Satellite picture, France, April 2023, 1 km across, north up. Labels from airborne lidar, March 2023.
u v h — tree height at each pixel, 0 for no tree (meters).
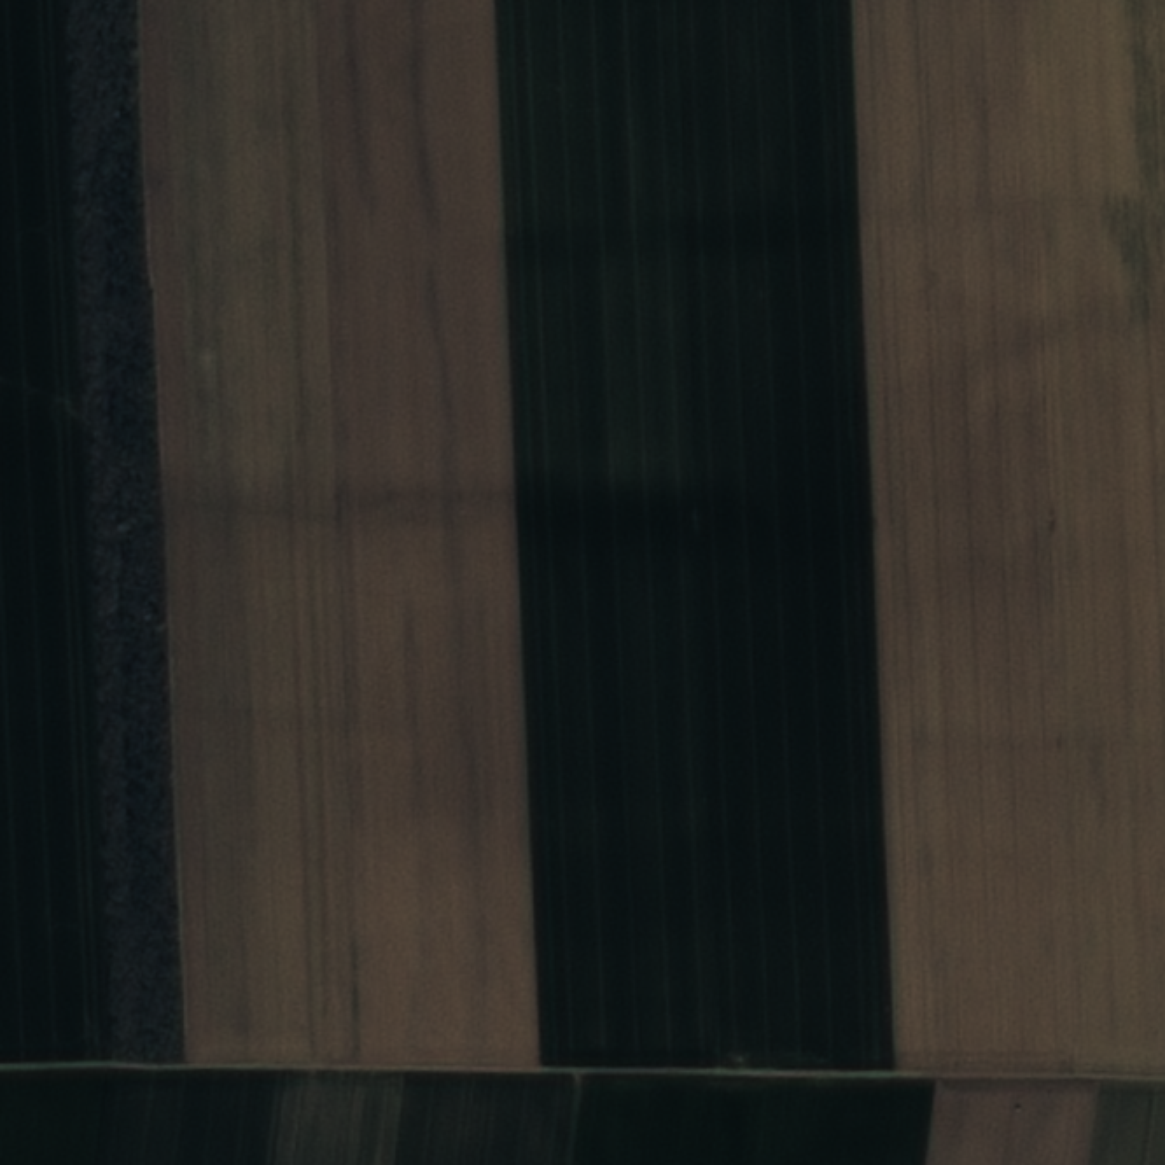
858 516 0
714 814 0
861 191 0
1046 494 0
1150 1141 0
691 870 0
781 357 0
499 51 0
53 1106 0
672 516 0
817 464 0
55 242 0
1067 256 0
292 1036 0
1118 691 0
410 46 0
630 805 0
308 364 0
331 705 0
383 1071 0
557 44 0
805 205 0
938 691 0
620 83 0
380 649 0
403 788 0
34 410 0
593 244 0
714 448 0
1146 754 0
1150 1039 0
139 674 12
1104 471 0
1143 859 0
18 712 0
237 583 0
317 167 0
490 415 0
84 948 0
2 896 0
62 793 0
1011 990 0
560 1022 0
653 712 0
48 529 0
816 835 0
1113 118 0
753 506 0
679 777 0
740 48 0
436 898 0
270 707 0
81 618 0
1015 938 0
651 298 0
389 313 0
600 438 0
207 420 0
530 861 0
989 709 0
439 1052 0
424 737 0
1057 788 0
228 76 0
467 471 0
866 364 0
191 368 0
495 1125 0
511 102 0
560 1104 0
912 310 0
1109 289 0
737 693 0
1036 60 0
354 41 0
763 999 0
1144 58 0
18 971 0
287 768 0
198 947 0
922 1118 0
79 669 0
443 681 0
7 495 0
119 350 10
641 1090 0
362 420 0
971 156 0
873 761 0
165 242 0
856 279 0
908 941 0
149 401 12
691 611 0
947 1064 0
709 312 0
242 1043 0
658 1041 0
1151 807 0
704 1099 0
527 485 0
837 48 0
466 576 0
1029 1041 0
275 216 0
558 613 0
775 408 0
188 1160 0
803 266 0
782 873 0
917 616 0
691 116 0
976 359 0
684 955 0
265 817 0
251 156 0
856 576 0
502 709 0
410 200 0
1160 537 0
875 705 0
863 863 0
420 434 0
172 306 0
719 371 0
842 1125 0
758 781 0
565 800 0
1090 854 0
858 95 0
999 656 0
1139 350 0
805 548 0
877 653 0
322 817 0
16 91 0
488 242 0
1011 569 0
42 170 0
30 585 0
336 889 0
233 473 0
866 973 0
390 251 0
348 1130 0
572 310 0
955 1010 0
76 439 0
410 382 0
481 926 0
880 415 0
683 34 0
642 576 0
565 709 0
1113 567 0
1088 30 0
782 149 0
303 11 0
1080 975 0
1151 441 0
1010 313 0
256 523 0
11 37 0
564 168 0
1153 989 0
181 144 0
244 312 0
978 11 0
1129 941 0
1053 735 0
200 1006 0
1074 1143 0
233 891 0
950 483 0
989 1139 0
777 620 0
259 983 0
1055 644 0
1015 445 0
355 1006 0
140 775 11
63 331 0
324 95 0
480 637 0
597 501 0
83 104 8
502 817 0
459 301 0
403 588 0
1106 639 0
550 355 0
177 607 0
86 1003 0
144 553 8
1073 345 0
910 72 0
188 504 0
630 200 0
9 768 0
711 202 0
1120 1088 0
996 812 0
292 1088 0
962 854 0
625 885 0
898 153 0
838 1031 0
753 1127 0
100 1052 0
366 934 0
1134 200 0
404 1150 0
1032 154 0
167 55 0
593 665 0
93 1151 0
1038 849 0
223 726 0
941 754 0
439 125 0
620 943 0
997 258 0
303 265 0
